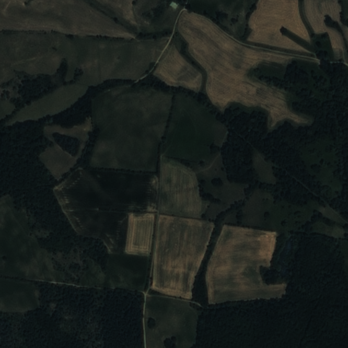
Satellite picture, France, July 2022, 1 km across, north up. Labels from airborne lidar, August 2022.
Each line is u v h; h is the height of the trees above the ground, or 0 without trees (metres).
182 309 0
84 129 0
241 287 0
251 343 15
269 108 0
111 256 0
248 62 0
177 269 0
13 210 0
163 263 0
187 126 0
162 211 0
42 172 11
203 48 0
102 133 0
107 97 0
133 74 0
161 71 0
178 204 0
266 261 0
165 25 0
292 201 20
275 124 0
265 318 14
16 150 22
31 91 16
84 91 0
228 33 0
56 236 7
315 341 18
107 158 0
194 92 7
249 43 0
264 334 15
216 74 0
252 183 20
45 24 0
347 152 22
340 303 18
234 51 0
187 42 0
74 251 6
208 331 14
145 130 0
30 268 0
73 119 20
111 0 0
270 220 0
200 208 0
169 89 16
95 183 0
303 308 18
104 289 9
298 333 19
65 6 0
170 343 8
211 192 0
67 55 0
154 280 0
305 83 14
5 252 0
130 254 0
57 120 19
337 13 0
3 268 0
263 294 0
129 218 0
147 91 0
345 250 0
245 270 0
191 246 0
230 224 7
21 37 0
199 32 0
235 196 0
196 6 0
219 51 0
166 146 0
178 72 0
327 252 23
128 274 0
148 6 0
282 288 0
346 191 15
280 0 0
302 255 23
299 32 0
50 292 8
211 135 0
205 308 12
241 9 0
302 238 17
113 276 0
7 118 12
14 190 11
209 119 0
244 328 16
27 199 12
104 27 0
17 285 0
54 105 0
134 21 0
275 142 23
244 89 0
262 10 0
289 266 12
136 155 0
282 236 6
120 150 0
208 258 7
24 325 11
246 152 18
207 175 0
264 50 0
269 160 6
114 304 19
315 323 14
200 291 13
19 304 0
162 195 0
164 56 0
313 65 0
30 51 0
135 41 0
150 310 0
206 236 0
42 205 17
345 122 21
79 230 0
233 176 22
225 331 17
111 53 0
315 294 17
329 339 18
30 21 0
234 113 8
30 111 0
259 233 0
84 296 16
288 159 18
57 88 6
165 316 0
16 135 15
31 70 0
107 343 16
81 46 0
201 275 11
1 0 0
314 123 7
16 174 13
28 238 0
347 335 18
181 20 0
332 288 19
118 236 0
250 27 0
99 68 0
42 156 0
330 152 9
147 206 0
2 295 0
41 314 6
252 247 0
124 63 0
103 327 13
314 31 0
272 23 0
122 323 18
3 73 0
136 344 18
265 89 0
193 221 0
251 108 0
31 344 15
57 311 11
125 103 0
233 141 18
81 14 0
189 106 0
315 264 15
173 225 0
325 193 11
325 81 19
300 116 0
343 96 10
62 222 16
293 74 20
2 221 0
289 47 0
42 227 8
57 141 14
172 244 0
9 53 0
